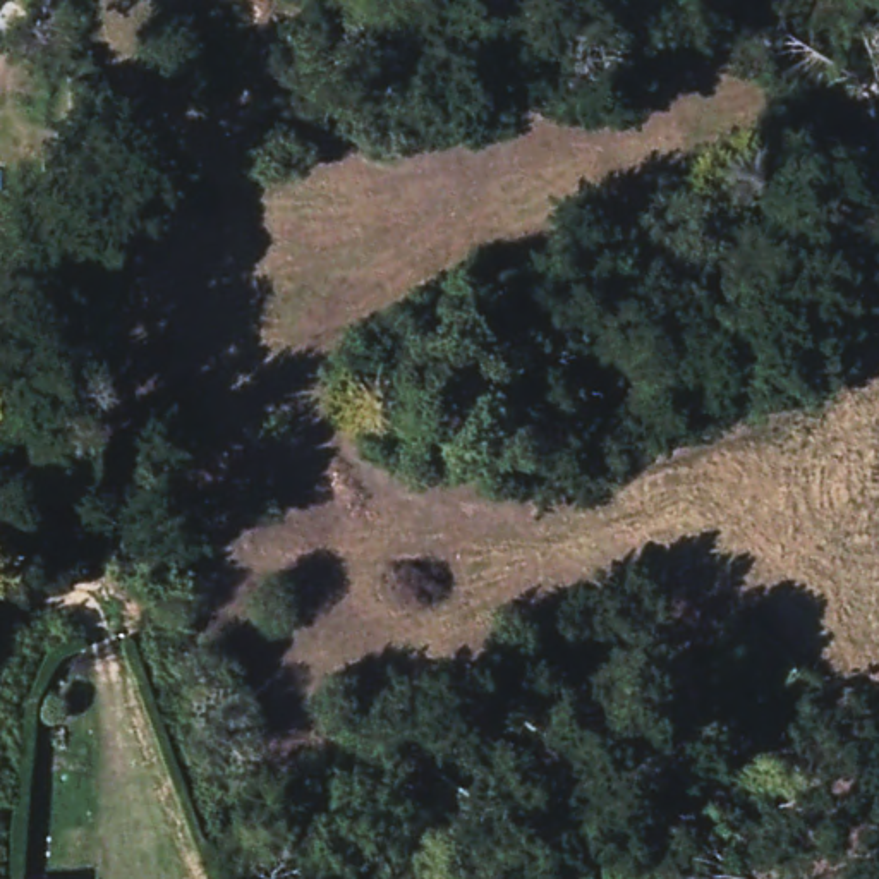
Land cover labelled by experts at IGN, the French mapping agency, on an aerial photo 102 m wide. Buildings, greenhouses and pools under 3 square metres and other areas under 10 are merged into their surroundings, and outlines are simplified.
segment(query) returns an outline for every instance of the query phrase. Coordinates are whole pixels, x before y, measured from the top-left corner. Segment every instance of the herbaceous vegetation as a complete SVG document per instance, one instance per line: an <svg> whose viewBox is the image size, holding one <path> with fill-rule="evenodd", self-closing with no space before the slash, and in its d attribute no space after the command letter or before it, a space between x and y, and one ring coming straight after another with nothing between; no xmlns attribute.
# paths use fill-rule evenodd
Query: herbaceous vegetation
<svg viewBox="0 0 879 879"><path fill-rule="evenodd" d="M41 707L41 728L34 735L24 879L206 879L192 827L182 810L182 797L172 783L161 745L144 714L137 676L127 663L120 663L117 683L96 683L76 683L65 704L48 697Z"/></svg>
<svg viewBox="0 0 879 879"><path fill-rule="evenodd" d="M72 89L62 89L62 96L55 100L48 96L41 76L10 65L0 55L0 168L34 161L45 155L45 141L55 141L58 130L65 130L69 113L76 106Z"/></svg>
<svg viewBox="0 0 879 879"><path fill-rule="evenodd" d="M433 282L440 271L457 268L481 244L539 233L556 213L560 199L577 196L580 182L601 182L611 172L639 168L649 155L697 155L707 144L707 134L724 124L755 127L766 110L766 93L762 86L745 82L738 76L721 76L711 96L680 96L670 103L670 110L652 113L635 130L584 130L556 124L543 113L529 113L529 130L512 141L498 141L488 148L464 144L446 151L422 151L402 161L374 161L367 155L350 155L354 144L343 141L336 130L309 124L292 113L288 89L282 89L282 82L268 69L271 45L282 34L271 21L254 24L254 0L148 0L151 17L137 27L137 38L151 41L161 34L175 34L185 38L185 45L196 48L196 55L182 62L172 76L161 76L158 69L134 58L120 62L110 45L100 41L103 0L69 0L82 17L79 58L93 62L113 93L144 89L155 96L161 110L185 117L189 127L196 127L199 134L203 175L196 189L175 206L172 237L175 258L155 275L141 330L151 364L151 385L161 391L179 391L185 402L206 405L209 426L196 457L196 464L192 470L203 488L199 532L213 543L213 556L192 560L189 563L192 591L199 594L199 611L189 625L206 628L216 611L230 618L223 635L209 642L209 652L237 659L244 666L244 680L237 683L237 690L251 683L258 707L268 718L264 745L271 749L271 755L288 755L292 749L330 742L330 735L309 714L309 700L323 680L340 673L343 666L385 649L422 649L433 659L446 659L457 649L470 649L481 656L501 604L522 597L525 591L549 594L577 580L591 580L597 570L611 570L615 560L628 553L639 553L639 560L649 567L649 577L670 604L670 621L680 625L680 646L687 656L697 646L718 646L728 635L724 621L735 625L738 611L752 601L769 635L786 642L790 652L800 659L797 670L810 670L821 676L834 666L838 673L862 673L865 680L879 683L879 378L872 378L862 388L841 391L838 402L827 402L821 415L790 409L769 415L745 415L738 426L718 436L714 446L676 446L673 453L659 453L646 474L618 488L615 498L601 508L556 505L553 512L539 512L532 501L481 498L470 484L436 484L429 491L412 491L412 484L395 481L385 467L361 460L361 446L336 446L333 422L319 419L316 412L309 388L316 385L316 374L330 361L330 354L340 347L343 333L371 312L381 312L409 299L412 288ZM251 168L254 151L271 134L312 144L326 165L316 165L306 179L292 179L264 196L261 185L251 179ZM450 563L450 597L433 608L419 604L415 594L402 587L402 580L395 577L395 560ZM268 639L247 618L247 594L258 587L258 580L264 580L275 570L285 577L285 587L295 601L295 639Z"/></svg>

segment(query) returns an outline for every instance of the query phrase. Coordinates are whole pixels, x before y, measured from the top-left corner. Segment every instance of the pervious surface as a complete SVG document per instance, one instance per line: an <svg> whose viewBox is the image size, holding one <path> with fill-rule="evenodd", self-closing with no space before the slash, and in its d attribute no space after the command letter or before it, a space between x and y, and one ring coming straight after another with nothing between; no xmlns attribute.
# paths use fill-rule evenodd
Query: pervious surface
<svg viewBox="0 0 879 879"><path fill-rule="evenodd" d="M103 0L100 41L110 45L120 62L134 58L137 38L137 27L151 17L148 0Z"/></svg>
<svg viewBox="0 0 879 879"><path fill-rule="evenodd" d="M299 17L295 0L254 0L254 24L271 21Z"/></svg>
<svg viewBox="0 0 879 879"><path fill-rule="evenodd" d="M106 597L96 611L79 604L69 628L76 628L82 642L93 642L89 656L96 659L96 683L117 683L120 663L113 656L120 652L120 642L127 642L137 632L141 604L120 584L113 597Z"/></svg>

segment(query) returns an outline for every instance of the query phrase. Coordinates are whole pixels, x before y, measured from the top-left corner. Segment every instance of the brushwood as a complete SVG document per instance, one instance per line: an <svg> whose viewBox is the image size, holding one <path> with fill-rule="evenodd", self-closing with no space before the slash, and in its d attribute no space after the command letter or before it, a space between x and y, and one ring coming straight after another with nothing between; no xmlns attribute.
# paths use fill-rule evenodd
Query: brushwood
<svg viewBox="0 0 879 879"><path fill-rule="evenodd" d="M443 838L433 831L412 855L409 879L453 879L450 852Z"/></svg>
<svg viewBox="0 0 879 879"><path fill-rule="evenodd" d="M419 604L433 608L450 597L450 563L395 560L395 577L402 580L402 587L415 594Z"/></svg>
<svg viewBox="0 0 879 879"><path fill-rule="evenodd" d="M161 34L151 41L137 38L134 58L158 69L161 76L172 76L182 62L196 55L196 48L185 45L185 38L175 34Z"/></svg>
<svg viewBox="0 0 879 879"><path fill-rule="evenodd" d="M258 707L251 683L237 690L237 683L244 680L244 666L237 659L209 652L209 642L223 635L230 618L216 611L206 628L189 625L199 611L199 594L192 591L189 563L137 563L124 539L100 536L79 522L79 501L93 498L106 505L113 491L124 491L130 498L130 484L137 481L137 443L148 422L158 422L165 429L165 443L196 457L209 426L206 405L185 402L179 391L161 391L151 385L151 364L141 330L155 275L175 258L172 237L127 237L124 268L113 271L76 258L65 258L58 268L34 268L27 261L27 244L21 237L17 206L21 189L34 182L41 172L48 172L45 155L34 161L0 168L0 474L21 481L27 488L27 505L41 515L41 525L34 529L34 563L27 573L21 573L27 597L21 604L0 601L0 879L24 879L34 735L41 728L41 707L48 697L65 704L76 683L96 683L96 659L89 656L93 642L82 642L76 628L69 628L79 604L55 604L48 601L52 594L69 594L76 584L96 577L120 584L141 604L137 632L127 642L120 642L120 652L113 656L120 663L127 663L137 676L144 714L161 745L172 783L182 797L182 810L192 827L206 879L240 879L240 872L271 862L271 845L264 827L247 827L244 814L230 814L227 803L240 800L247 790L244 769L271 755L271 749L264 745L268 718Z"/></svg>
<svg viewBox="0 0 879 879"><path fill-rule="evenodd" d="M0 0L0 55L10 65L41 76L48 96L55 100L62 96L62 89L72 89L76 106L93 113L113 93L93 62L79 58L82 17L69 0Z"/></svg>
<svg viewBox="0 0 879 879"><path fill-rule="evenodd" d="M316 165L326 165L312 144L271 134L254 151L251 168L251 179L261 185L264 196L292 179L306 179Z"/></svg>
<svg viewBox="0 0 879 879"><path fill-rule="evenodd" d="M285 577L275 570L264 580L258 580L258 587L247 594L247 618L268 639L295 639L295 601L285 587Z"/></svg>
<svg viewBox="0 0 879 879"><path fill-rule="evenodd" d="M192 560L213 556L213 543L199 532L203 488L192 470L196 464L182 464L179 474L168 481L168 512L182 522Z"/></svg>

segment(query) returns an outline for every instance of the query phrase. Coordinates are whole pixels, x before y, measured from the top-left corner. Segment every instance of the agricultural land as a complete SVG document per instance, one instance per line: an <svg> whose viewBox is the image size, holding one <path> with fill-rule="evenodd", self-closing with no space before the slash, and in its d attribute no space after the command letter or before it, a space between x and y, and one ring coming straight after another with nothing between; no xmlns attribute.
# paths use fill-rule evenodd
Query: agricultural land
<svg viewBox="0 0 879 879"><path fill-rule="evenodd" d="M879 96L855 100L841 86L821 79L810 89L797 93L803 110L821 127L841 134L841 148L852 151L852 161L862 172L865 189L879 192Z"/></svg>

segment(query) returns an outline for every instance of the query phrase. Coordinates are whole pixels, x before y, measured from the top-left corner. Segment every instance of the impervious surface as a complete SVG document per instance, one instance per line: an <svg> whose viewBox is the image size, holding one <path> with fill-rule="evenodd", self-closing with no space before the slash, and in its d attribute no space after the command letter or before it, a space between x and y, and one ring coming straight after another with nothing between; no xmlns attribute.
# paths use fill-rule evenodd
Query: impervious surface
<svg viewBox="0 0 879 879"><path fill-rule="evenodd" d="M69 594L52 594L48 601L55 604L79 604L96 611L106 597L113 597L120 584L96 577L76 584Z"/></svg>

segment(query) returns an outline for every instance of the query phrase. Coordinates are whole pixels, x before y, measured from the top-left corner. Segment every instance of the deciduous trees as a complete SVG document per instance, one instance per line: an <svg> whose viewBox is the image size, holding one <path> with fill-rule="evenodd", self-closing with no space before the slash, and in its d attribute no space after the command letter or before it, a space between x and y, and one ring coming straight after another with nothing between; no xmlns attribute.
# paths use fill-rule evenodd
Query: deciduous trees
<svg viewBox="0 0 879 879"><path fill-rule="evenodd" d="M412 491L429 491L436 484L470 484L481 498L532 501L539 512L553 512L556 505L601 508L615 498L618 488L646 474L659 453L673 453L676 446L714 446L718 436L738 426L745 415L769 415L790 409L821 415L827 402L838 402L841 391L862 388L872 378L879 378L879 192L865 189L862 172L852 161L852 151L841 148L841 134L821 127L803 110L797 93L810 89L821 79L841 86L855 100L879 96L879 0L295 0L299 17L271 21L282 34L271 45L268 69L282 82L282 89L288 89L292 113L309 124L336 130L343 141L354 144L350 155L367 155L374 161L402 161L422 151L446 151L464 144L488 148L498 141L512 141L529 130L529 113L543 113L556 124L584 130L635 130L652 113L670 110L670 103L680 96L711 96L721 76L738 76L745 82L762 86L766 93L766 110L755 127L724 124L707 134L707 144L697 155L649 155L639 168L611 172L601 182L580 182L577 196L560 199L556 213L539 233L481 244L457 268L440 271L433 282L412 288L409 299L381 312L371 312L343 333L340 347L330 354L330 361L316 374L316 385L309 388L316 412L319 419L333 422L336 446L361 446L361 460L385 467L395 481L412 484Z"/></svg>
<svg viewBox="0 0 879 879"><path fill-rule="evenodd" d="M79 522L100 536L124 539L137 563L189 563L192 560L182 522L168 512L168 481L179 474L182 464L196 464L196 457L165 443L165 429L158 422L148 422L137 443L137 481L130 484L130 498L124 491L113 491L106 505L93 498L79 501Z"/></svg>
<svg viewBox="0 0 879 879"><path fill-rule="evenodd" d="M27 597L21 573L27 573L34 563L34 529L41 525L41 515L27 505L27 488L21 481L0 474L0 601L21 604Z"/></svg>
<svg viewBox="0 0 879 879"><path fill-rule="evenodd" d="M264 827L271 845L271 862L240 872L240 879L409 879L412 855L433 831L443 838L450 852L453 879L879 879L879 683L865 680L862 673L838 673L834 666L821 676L810 670L797 670L800 659L790 652L786 642L769 635L752 601L738 611L735 625L724 621L728 635L718 646L697 646L687 656L680 646L680 625L670 621L670 604L649 577L649 567L639 560L639 553L628 553L615 560L611 570L597 570L591 580L577 580L549 594L525 591L522 597L501 604L481 656L470 649L457 649L446 659L433 659L422 649L385 649L343 666L340 673L323 680L309 700L309 714L330 735L330 742L292 749L288 755L271 755L244 769L247 790L240 800L227 803L230 814L244 814L247 827Z"/></svg>
<svg viewBox="0 0 879 879"><path fill-rule="evenodd" d="M161 110L155 96L144 89L113 93L93 113L76 106L69 113L65 130L58 130L55 141L45 141L45 155L48 172L41 172L34 182L21 189L17 206L21 237L27 244L27 261L34 268L58 268L65 258L76 258L113 271L124 268L127 237L172 237L175 206L196 189L203 175L199 134L196 127L189 127L185 117Z"/></svg>

